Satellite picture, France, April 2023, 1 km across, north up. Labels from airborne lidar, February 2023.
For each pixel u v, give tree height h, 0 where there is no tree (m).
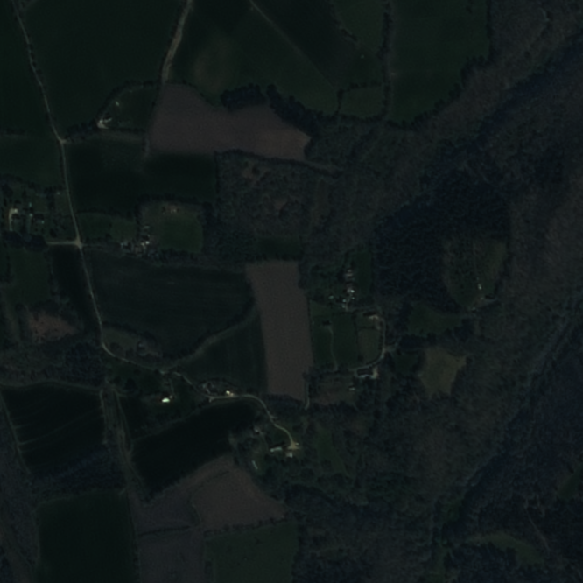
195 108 0
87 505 0
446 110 12
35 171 0
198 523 0
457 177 30
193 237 0
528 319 17
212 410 0
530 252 17
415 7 0
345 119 10
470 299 0
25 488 16
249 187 10
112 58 0
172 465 0
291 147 0
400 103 0
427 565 19
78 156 0
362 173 17
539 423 10
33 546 12
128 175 0
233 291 0
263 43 0
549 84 29
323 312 0
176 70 0
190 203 13
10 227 0
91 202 0
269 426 12
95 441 0
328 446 0
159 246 8
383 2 9
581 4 21
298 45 0
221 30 0
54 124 13
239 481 0
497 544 0
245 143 0
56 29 0
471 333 15
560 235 18
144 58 0
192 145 0
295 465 21
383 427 17
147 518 0
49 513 0
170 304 0
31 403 0
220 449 0
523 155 17
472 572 18
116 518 0
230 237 20
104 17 0
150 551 0
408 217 33
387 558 25
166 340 0
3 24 0
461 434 20
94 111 0
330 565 9
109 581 0
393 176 13
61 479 21
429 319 0
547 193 14
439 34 0
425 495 25
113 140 0
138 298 0
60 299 12
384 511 32
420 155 17
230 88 0
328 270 7
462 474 25
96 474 24
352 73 0
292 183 11
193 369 0
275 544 0
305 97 0
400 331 13
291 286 0
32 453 0
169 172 0
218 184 13
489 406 17
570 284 22
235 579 0
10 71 0
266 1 0
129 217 11
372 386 13
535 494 11
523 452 26
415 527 17
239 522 0
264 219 13
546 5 20
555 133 20
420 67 0
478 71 16
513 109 28
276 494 16
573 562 17
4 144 0
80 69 0
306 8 0
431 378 0
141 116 0
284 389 0
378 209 17
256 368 0
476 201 29
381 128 11
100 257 0
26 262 0
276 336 0
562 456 18
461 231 31
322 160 14
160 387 0
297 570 14
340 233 16
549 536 19
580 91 21
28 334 14
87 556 0
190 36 0
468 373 19
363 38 0
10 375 17
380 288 22
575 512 27
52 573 0
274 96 25
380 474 23
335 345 0
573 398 18
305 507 21
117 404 0
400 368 0
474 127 13
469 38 0
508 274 16
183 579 0
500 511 14
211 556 0
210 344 0
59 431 0
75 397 0
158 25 0
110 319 0
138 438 0
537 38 17
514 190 18
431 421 16
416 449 16
